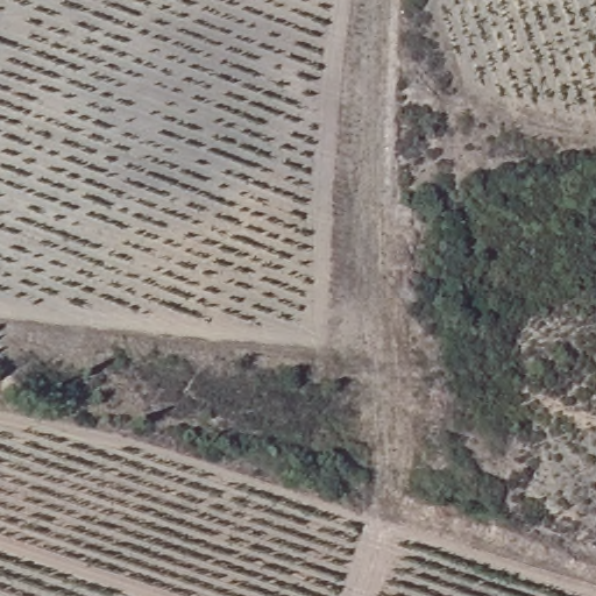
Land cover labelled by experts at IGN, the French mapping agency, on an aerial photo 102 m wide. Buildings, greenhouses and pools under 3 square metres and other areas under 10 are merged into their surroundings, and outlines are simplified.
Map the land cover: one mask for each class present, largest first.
<instances>
[{"label":"vineyard","instance_id":"1","mask_svg":"<svg viewBox=\"0 0 596 596\"><path fill-rule=\"evenodd\" d=\"M349 21V0H0V319L121 328L151 335H191L205 340L303 345L312 349L324 347L331 300L328 284L333 270L331 230L338 91ZM426 12L433 14L431 26L438 33L440 44L447 40H456L461 44L456 65L463 79V88H468L487 102H491L496 93L505 95L508 114L515 121V126L526 135L552 137L559 151L596 149V0H428ZM16 382L9 375L0 379V596H596V414H589L584 410V403L566 405L559 398L524 386V405L540 403L552 412L547 424H531L533 431L545 433V440L508 442L505 438H498L494 433L482 435L475 431H468L466 435V447L473 449L484 473L510 477L512 473L524 470L526 466L535 470L528 487H515L508 491V508L515 510L519 505L517 496L522 494L540 498L545 508L556 517L552 526L535 524L517 533L501 528L496 524H477L470 517H463L454 505H426L424 501L410 496H405L400 503L398 524L382 522L366 512H356L342 503L324 501L314 491H296L277 482L254 477V463H249L244 456L228 463H212L177 449L151 445L144 438H123L119 431L109 433L79 426L65 419L54 421L21 414L12 405V386Z\"/></svg>","mask_w":596,"mask_h":596},{"label":"brushwood","instance_id":"2","mask_svg":"<svg viewBox=\"0 0 596 596\"><path fill-rule=\"evenodd\" d=\"M428 0H403V14L398 19V44L407 49L410 58L428 65V72L442 93L456 95L459 86L452 84V72L445 65L440 44L438 33L431 26L433 14L426 12ZM396 151L405 156V165L398 168L400 196L403 203L426 226V263L419 272H414L410 282V289L417 293V298L414 303H410L407 312L424 326L426 333L440 340V356L452 375L445 389L454 393V398L445 407L454 417V428L445 433L449 440L447 468H410V496L424 501L426 505H454L463 517H470L477 524H496L501 528L517 533L535 524L552 526L556 517L545 508L540 498L522 494L517 496L519 505L515 510L508 508V491L515 487H528L535 470L526 466L524 470L512 473L510 477L484 473L473 449L466 447V435L468 431H475L482 435L494 433L498 438H505L508 442L545 440V433L533 431L531 424H547L552 412L540 403L524 405V386L559 398L566 405L584 403V410L589 414H596V149L559 151L552 137L526 135L515 126V121L501 123V135L487 137L489 156L505 158L508 163L494 170H475L466 179H456L454 175H435L433 182H426L419 191H412V172L417 170V165L442 154V149H433L428 144V137L447 133V112H435L428 105H407L400 107L393 119ZM256 354H247L240 359L237 375L217 377L210 368H198L186 356L161 354L158 342H154L149 354L135 359H130L126 349L114 347V354L109 359L95 363L93 368L79 370L63 361H44L35 352H26L14 361L0 354V379L9 375L16 382L12 386V405L21 414L54 421L65 419L79 426L109 433L119 431L123 438H144L151 445L177 449L212 463H228L244 456L249 463H254V477L277 482L296 491H314L324 501L342 503L356 512H366L375 494V449L359 435V379L324 377L321 382H312L310 366L261 368L256 363Z\"/></svg>","mask_w":596,"mask_h":596},{"label":"herbaceous vegetation","instance_id":"3","mask_svg":"<svg viewBox=\"0 0 596 596\"><path fill-rule=\"evenodd\" d=\"M403 14V0H349V21L338 91L331 230L333 270L328 284L331 300L324 347L312 349L303 345L205 340L191 335H151L121 328L0 319V354L14 361L26 352H35L44 361H63L79 370L93 368L95 363L109 359L114 354V347L126 349L130 359H135L149 354L154 342H158L161 354L186 356L198 368H210L217 377L237 375L240 359L247 354H256V363L261 368L310 366L312 382H321L324 377L359 379V435L375 449V494L366 512L382 522L398 524L400 503L405 496H410V468H447L449 440L445 433L454 428V417L445 407L454 398V393L445 389L452 375L440 356V340L426 333L424 326L407 312L410 303H414L417 298V293L410 289V282L414 272H419L426 263V226L403 203L400 196L398 168L405 165V156L396 151L393 119L400 107L407 105H428L435 112H447V133L428 137V144L433 149H442V154L417 165V170L412 172V191H419L426 182H433L435 175H454L456 179H466L475 170H494L508 163L505 158L489 156L487 137L501 135V123L515 121L508 114L505 95L496 93L491 102H487L468 88H463V79L456 65L461 44L456 40H447L440 44L445 65L452 72V84L459 86L456 95L442 93L428 72V65L410 58L407 49L398 44V19Z\"/></svg>","mask_w":596,"mask_h":596}]
</instances>
